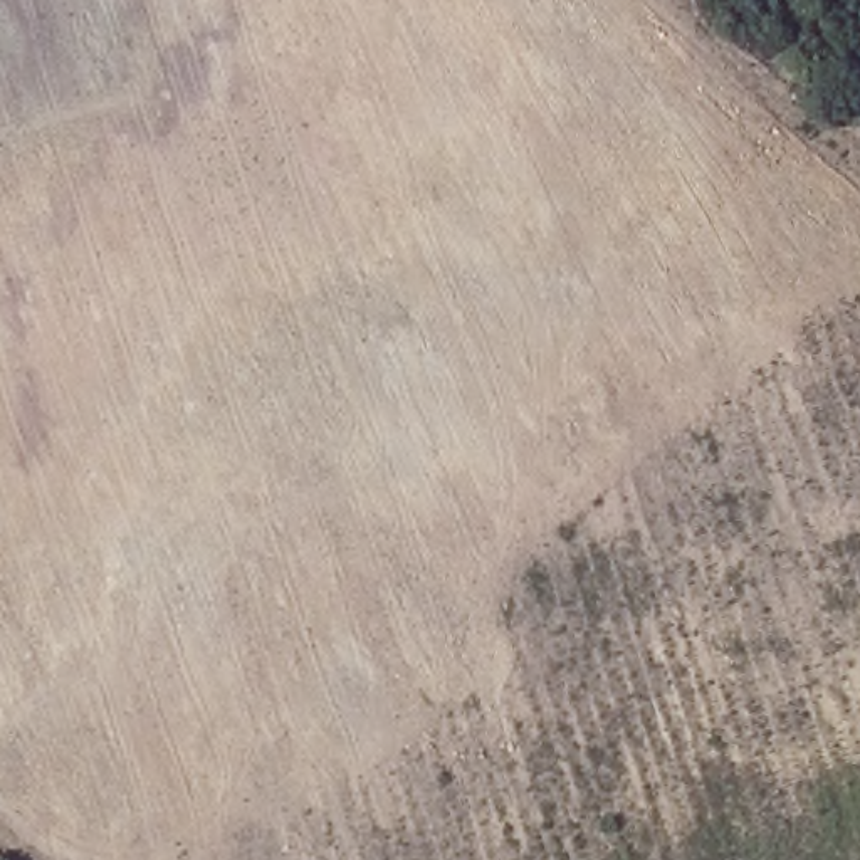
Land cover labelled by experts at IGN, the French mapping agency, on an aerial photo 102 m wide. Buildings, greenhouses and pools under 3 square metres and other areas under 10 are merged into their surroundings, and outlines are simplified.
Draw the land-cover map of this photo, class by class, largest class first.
<instances>
[{"label":"agricultural land","instance_id":"1","mask_svg":"<svg viewBox=\"0 0 860 860\"><path fill-rule=\"evenodd\" d=\"M793 71L786 67L779 74H769V67L756 54L719 37L702 17L699 0H0V860H208L215 850H225L235 840L232 833L245 823L275 830L279 847L289 843V820L296 813L312 816V810L323 806V793H333L339 779L363 776L383 753H400L413 739V732L423 726L420 689H427L440 702H464L467 695H477L480 702L504 699V682L514 658L507 632L501 625V608L514 574H527L531 564L551 571L574 564V558L588 551V544L598 541L588 527V517L598 507H605V497H598V490L615 480L618 467L635 470L648 450H662L665 440L689 427L705 430L709 403L722 396H739V390L753 380L756 366L769 363L773 356H783L786 363L800 359V326L806 316H813L816 306H840V299L860 292V191L847 185L816 151H810L803 138V108L789 91Z\"/></svg>","mask_w":860,"mask_h":860},{"label":"vineyard","instance_id":"2","mask_svg":"<svg viewBox=\"0 0 860 860\"><path fill-rule=\"evenodd\" d=\"M810 151H816L847 185L860 191V124L826 128L816 138H803ZM800 359L786 363L783 356H773L769 363L756 366L753 380L739 390V396H722L709 403L705 430L689 427L665 440L662 450H648L635 470L618 467L615 480L598 490V497H605V507H598L588 517V527L598 541L588 544V551L574 558V564L551 571L531 564L527 574H514L501 608V625L507 632L514 658L504 682V699L480 702L477 695H467L464 702H440L427 689H420L423 726L413 732V739L400 753H383L363 776L339 779L333 793H323V806L312 810V816L296 813L289 820V843L279 847L275 830L245 823L232 833L235 840L225 850H215L208 860H860V292L840 299V306H816L813 316H806L800 326Z\"/></svg>","mask_w":860,"mask_h":860},{"label":"deciduous trees","instance_id":"3","mask_svg":"<svg viewBox=\"0 0 860 860\"><path fill-rule=\"evenodd\" d=\"M702 17L719 37L756 54L769 67V74H779L786 67L793 71L789 91L803 108V138H816L826 128L860 124V0H699Z\"/></svg>","mask_w":860,"mask_h":860}]
</instances>
